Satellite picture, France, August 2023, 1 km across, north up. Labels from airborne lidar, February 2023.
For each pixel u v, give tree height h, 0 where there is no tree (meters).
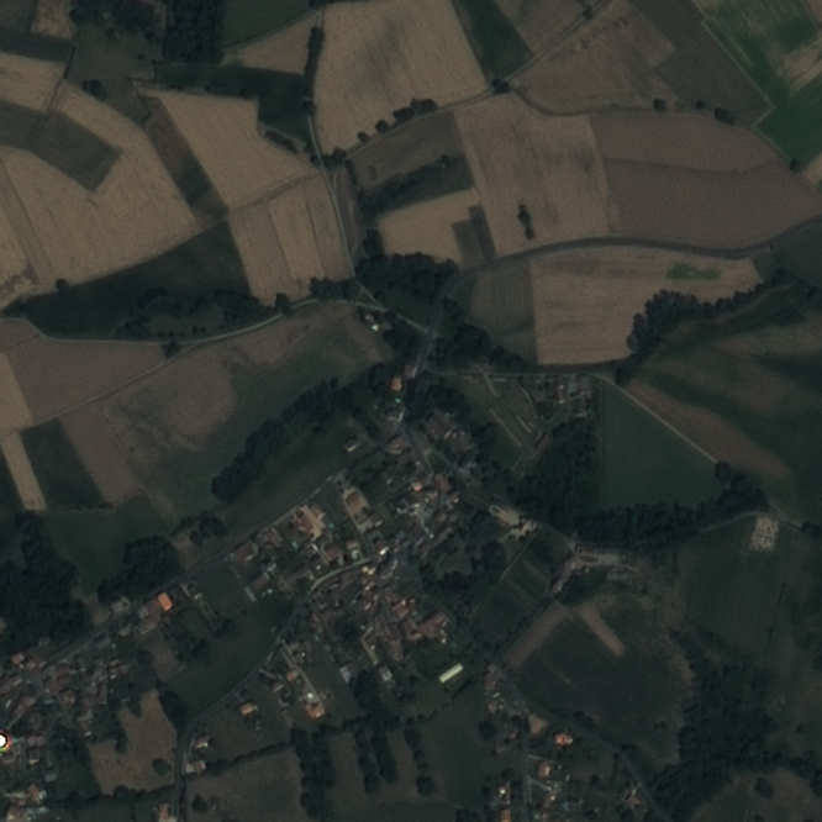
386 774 16
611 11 0
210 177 0
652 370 0
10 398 0
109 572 0
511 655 0
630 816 14
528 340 0
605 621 0
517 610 0
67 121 0
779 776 0
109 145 0
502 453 0
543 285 0
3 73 0
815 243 0
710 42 0
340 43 0
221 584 0
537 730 0
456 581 14
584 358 0
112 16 36
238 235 0
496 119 0
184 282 0
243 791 0
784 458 0
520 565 0
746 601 0
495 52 0
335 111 0
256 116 0
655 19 0
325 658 0
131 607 0
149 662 9
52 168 0
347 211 0
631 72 0
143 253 0
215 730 0
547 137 0
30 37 0
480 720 0
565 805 0
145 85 0
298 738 15
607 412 0
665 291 0
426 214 0
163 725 0
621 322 0
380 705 16
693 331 0
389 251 0
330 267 0
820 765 0
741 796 0
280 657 0
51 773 0
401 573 0
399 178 0
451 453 6
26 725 7
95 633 0
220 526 15
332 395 22
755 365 0
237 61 0
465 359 19
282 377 0
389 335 8
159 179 0
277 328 0
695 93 0
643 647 0
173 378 0
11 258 0
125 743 11
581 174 0
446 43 0
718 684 15
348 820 0
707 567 0
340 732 6
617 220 0
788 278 20
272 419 0
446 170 0
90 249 0
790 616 0
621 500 0
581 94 0
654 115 0
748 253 0
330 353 0
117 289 0
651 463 0
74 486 0
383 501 0
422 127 0
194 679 0
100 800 12
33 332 0
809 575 0
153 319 25
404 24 0
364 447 0
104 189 0
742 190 0
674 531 15
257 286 0
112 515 0
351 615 0
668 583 0
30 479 0
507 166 0
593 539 12
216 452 0
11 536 0
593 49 0
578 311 0
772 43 0
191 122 0
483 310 0
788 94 0
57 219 0
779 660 0
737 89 0
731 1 0
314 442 0
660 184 0
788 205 0
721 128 0
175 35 22
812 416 0
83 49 0
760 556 0
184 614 6
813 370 0
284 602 0
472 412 11
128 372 0
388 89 0
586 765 0
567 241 0
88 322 0
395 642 0
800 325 0
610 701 0
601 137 0
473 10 0
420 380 13
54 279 0
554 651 0
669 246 0
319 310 0
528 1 0
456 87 0
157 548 18
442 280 14
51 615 34
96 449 0
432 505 0
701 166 0
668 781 6
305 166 0
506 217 0
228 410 0
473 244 0
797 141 0
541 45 0
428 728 0
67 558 0
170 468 0
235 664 0
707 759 18
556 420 0
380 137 0
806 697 0
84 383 0
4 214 0
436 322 0
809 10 0
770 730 17
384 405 7
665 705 0
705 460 0
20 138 0
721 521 15
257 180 0
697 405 0
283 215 0
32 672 0
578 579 12
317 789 13
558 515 21
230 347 0
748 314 0
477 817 11
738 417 0
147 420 0
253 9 0
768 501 17
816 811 0
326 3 20
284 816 0
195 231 0
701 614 0
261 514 0
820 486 0
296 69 0
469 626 16
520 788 12
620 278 0
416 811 0
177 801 0
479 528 16
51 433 0
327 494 0
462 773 0
